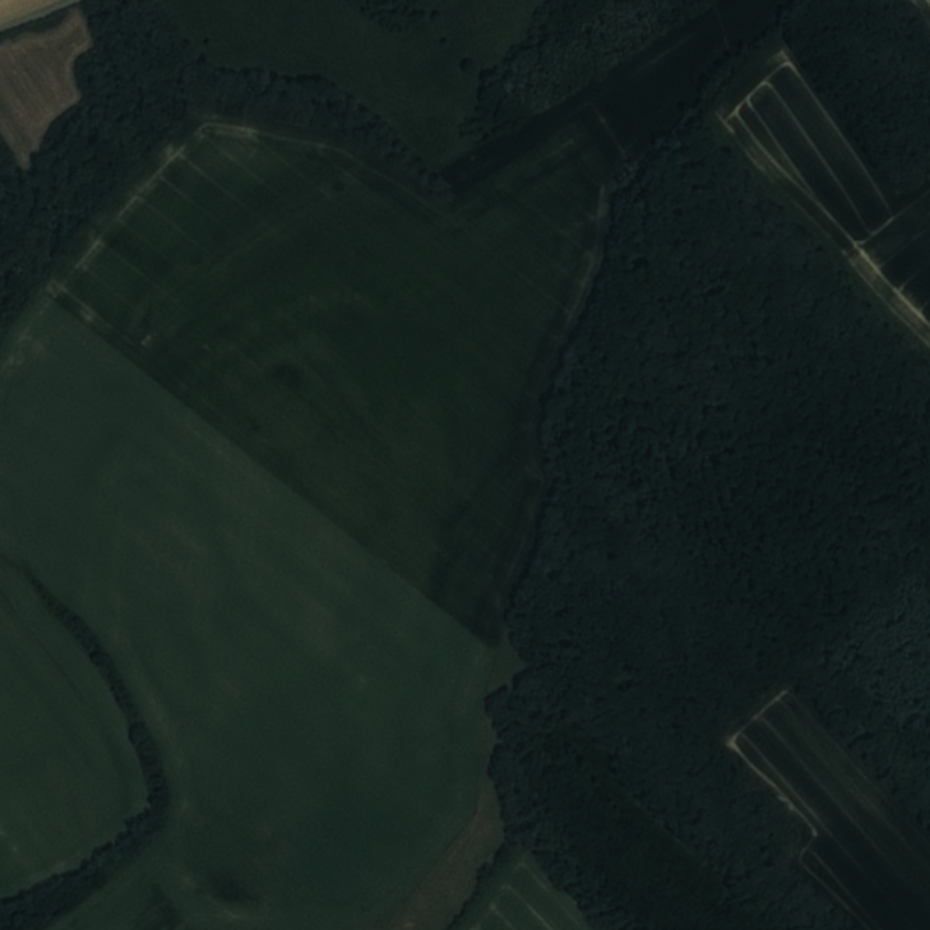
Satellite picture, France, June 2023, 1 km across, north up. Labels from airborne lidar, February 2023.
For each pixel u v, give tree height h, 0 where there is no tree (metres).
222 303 0
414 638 0
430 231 0
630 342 22
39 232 16
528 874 0
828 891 0
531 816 23
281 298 0
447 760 0
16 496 0
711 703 27
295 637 0
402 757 0
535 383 0
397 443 0
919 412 28
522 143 0
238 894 0
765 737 0
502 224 0
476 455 0
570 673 27
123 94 19
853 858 0
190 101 14
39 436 0
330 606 0
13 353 0
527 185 0
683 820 26
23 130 0
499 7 0
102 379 0
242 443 0
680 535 28
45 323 0
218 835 0
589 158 0
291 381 0
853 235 0
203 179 0
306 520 0
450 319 0
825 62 28
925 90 28
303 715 0
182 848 0
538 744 10
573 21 16
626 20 21
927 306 0
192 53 19
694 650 26
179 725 0
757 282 28
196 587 0
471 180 0
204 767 0
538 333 0
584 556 27
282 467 0
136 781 0
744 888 24
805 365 26
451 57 0
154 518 0
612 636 27
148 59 22
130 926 0
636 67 0
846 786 0
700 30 0
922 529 26
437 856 0
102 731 0
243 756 0
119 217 0
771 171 0
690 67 0
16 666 0
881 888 0
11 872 0
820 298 24
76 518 0
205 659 0
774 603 31
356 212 0
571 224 0
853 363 28
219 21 0
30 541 0
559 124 0
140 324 0
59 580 0
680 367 24
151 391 0
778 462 27
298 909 0
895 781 21
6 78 0
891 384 28
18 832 0
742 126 0
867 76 26
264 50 0
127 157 8
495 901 0
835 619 24
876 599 20
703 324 28
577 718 28
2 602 0
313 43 0
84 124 18
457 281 0
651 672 25
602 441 28
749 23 0
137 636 0
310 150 0
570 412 21
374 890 0
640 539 24
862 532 26
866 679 19
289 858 0
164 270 0
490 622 0
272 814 0
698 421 28
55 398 0
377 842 0
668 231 26
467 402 0
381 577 0
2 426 0
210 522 0
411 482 0
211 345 0
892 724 19
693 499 28
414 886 0
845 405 25
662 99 0
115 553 0
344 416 0
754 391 25
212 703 0
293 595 0
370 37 0
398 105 0
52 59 0
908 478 25
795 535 24
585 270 0
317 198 0
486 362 0
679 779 23
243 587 0
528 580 19
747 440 26
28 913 17
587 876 26
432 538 0
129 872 0
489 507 0
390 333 0
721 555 25
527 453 0
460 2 0
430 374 0
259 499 0
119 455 0
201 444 0
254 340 0
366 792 0
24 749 0
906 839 0
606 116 0
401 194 0
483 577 0
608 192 0
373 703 0
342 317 0
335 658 0
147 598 0
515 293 0
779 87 0
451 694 0
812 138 0
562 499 19
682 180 26
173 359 0
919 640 17
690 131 21
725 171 27
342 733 0
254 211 0
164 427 0
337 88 14
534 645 23
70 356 0
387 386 0
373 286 0
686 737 23
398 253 0
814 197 0
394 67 0
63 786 0
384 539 0
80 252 0
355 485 0
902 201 0
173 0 0
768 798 19
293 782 0
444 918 0
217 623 0
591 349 21
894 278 0
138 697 0
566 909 0
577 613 26
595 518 27
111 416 0
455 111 0
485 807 0
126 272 0
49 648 0
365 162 0
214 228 0
